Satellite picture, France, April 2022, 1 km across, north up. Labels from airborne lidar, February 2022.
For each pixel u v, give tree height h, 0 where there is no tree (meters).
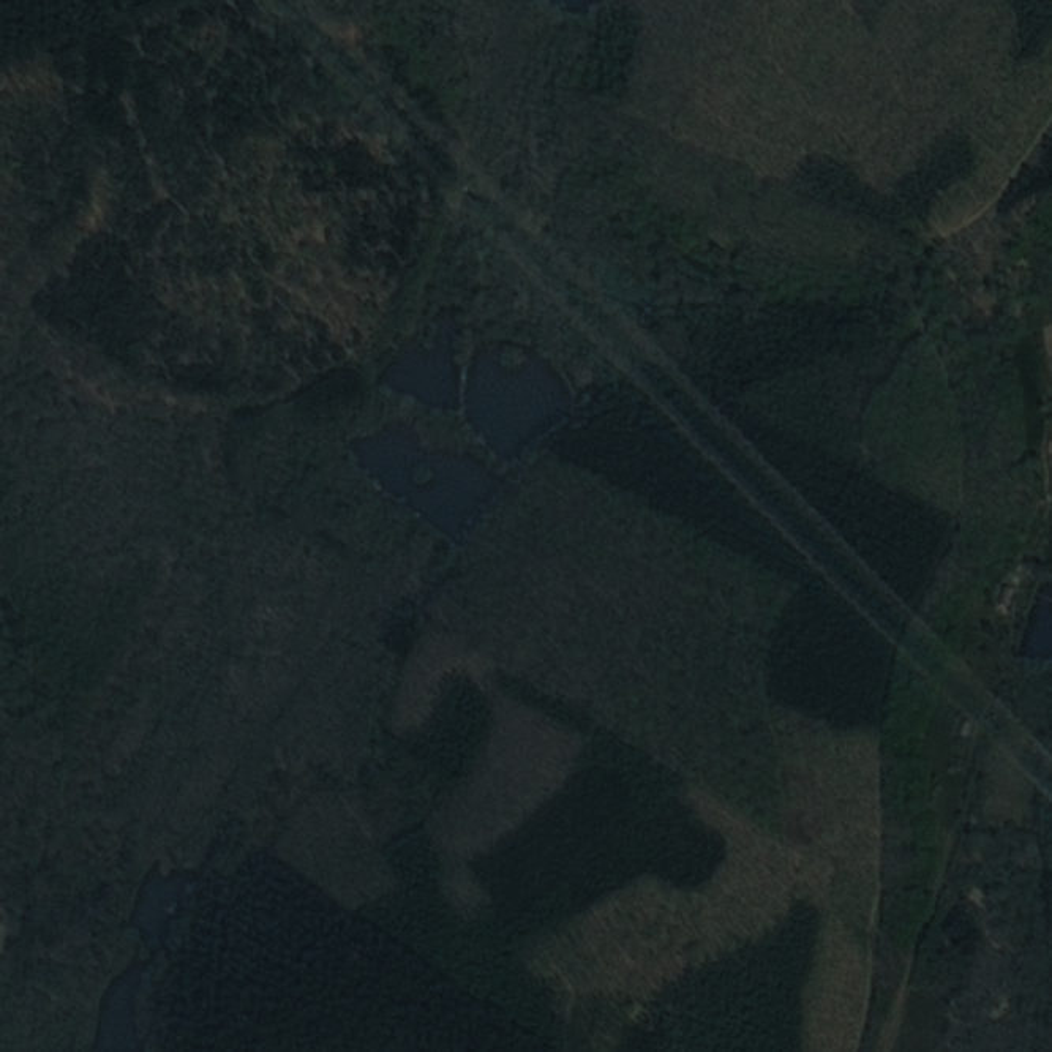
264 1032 35
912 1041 0
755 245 25
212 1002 32
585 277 23
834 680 24
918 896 23
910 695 25
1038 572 17
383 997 29
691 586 29
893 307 27
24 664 28
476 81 16
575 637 28
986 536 28
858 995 0
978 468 29
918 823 26
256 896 29
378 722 24
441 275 19
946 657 24
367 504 16
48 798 26
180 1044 31
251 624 20
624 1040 12
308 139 13
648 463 14
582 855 13
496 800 0
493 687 18
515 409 0
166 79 17
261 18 23
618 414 18
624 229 28
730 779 25
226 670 17
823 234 28
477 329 11
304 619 19
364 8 22
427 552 18
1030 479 31
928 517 20
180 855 21
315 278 17
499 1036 31
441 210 16
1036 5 13
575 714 18
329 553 21
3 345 21
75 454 17
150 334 19
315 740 25
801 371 16
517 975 15
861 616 26
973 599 24
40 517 16
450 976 13
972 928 22
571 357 15
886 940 16
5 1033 19
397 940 13
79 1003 23
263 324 13
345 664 23
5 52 30
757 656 25
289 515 19
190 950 31
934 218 16
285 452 13
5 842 26
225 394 17
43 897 20
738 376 20
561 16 22
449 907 16
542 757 0
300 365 19
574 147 22
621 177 21
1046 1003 20
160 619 15
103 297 20
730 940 0
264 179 10
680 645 29
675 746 25
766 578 25
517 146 15
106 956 22
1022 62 15
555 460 24
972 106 18
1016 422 35
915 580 24
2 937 0
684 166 23
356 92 24
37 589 17
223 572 19
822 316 19
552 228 6
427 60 27
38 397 13
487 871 12
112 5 26
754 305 23
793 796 18
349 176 19
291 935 35
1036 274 10
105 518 19
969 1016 14
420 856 18
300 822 19
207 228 16
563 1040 17
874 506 20
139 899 0
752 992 8
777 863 0
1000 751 0
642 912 0
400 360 0
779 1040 13
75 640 18
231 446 24
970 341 30
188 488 18
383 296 15
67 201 20
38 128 18
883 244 22
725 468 13
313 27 19
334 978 32
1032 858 19
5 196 13
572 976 0
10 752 27
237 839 24
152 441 24
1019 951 17
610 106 25
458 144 24
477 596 24
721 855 12
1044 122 16
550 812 13
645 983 0
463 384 0
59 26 27
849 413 16
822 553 22
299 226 18
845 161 20
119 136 18
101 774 21
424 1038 30
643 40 21
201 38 10
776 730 18
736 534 16
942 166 14
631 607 28
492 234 20
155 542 21
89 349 17
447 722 20
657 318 24
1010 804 0
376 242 22
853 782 0
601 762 14
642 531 30
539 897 14
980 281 16
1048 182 21
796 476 15
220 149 16
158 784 19
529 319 11
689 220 18
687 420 15
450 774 19
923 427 27
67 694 18
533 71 12
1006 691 8
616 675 29
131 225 14
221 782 19
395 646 27
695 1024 17
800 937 12
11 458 16
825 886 0
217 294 18
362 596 19
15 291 19
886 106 15
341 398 27
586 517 26
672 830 13
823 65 20
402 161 25
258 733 20
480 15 16
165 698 15
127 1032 0
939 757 0
